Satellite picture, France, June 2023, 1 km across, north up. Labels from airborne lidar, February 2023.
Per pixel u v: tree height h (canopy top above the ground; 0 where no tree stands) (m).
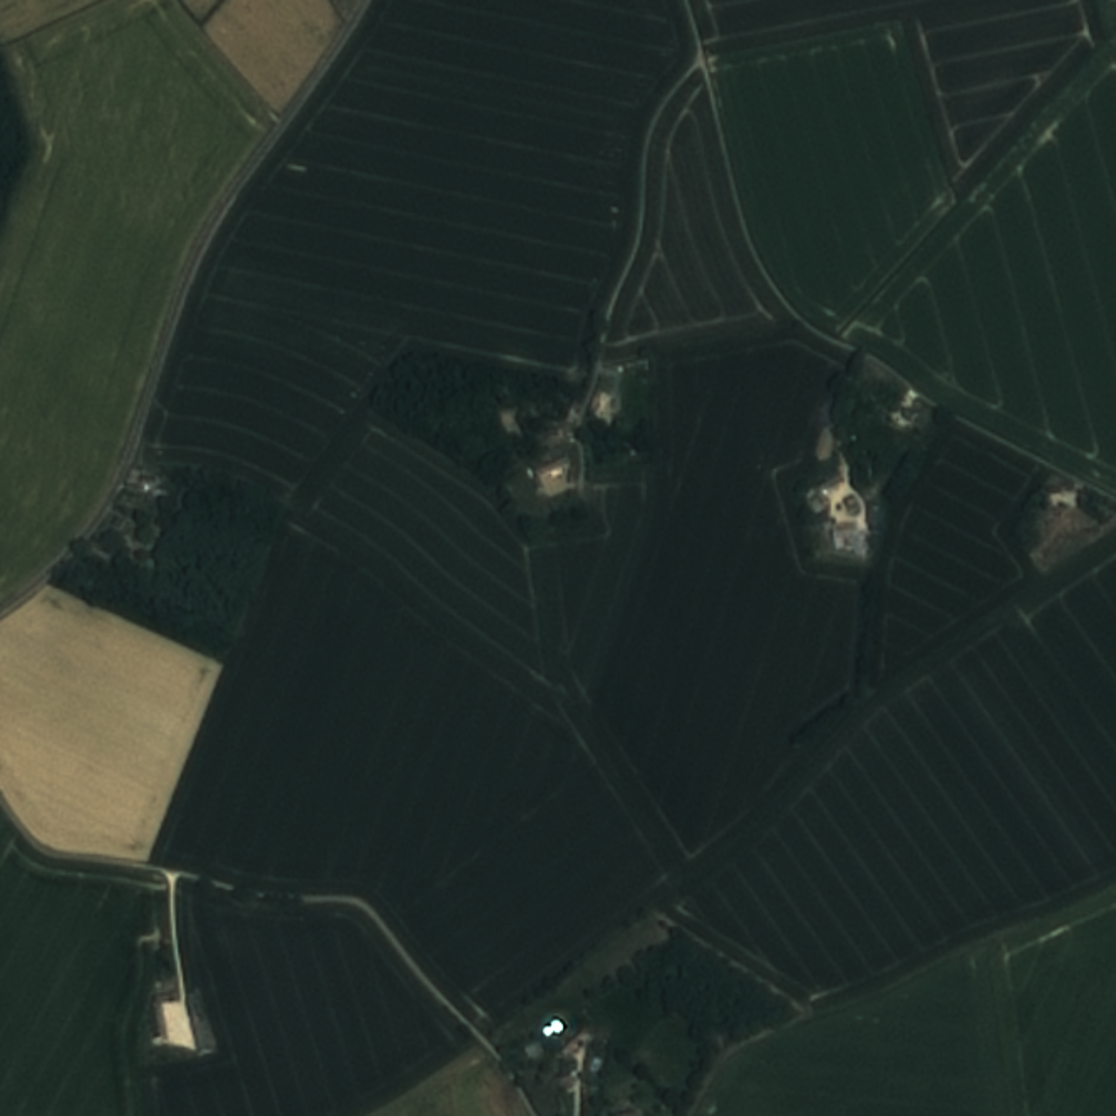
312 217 0
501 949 0
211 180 0
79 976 0
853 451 12
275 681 0
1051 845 0
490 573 0
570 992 0
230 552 22
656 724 0
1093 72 0
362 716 0
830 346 0
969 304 0
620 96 0
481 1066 0
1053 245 0
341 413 0
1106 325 0
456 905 0
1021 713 0
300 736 0
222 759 0
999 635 0
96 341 0
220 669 0
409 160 0
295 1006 0
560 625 0
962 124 0
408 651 0
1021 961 0
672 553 0
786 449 0
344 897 0
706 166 0
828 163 0
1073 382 0
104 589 11
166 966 7
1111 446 0
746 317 0
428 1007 0
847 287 0
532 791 0
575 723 0
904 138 0
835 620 0
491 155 0
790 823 0
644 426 7
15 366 0
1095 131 0
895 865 0
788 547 0
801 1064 0
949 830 0
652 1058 0
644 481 0
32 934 0
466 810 0
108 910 0
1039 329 0
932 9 0
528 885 0
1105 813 0
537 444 13
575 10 0
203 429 0
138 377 0
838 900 0
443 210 0
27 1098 0
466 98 0
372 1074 0
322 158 0
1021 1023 0
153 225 0
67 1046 0
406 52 0
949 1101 0
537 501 0
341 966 0
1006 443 0
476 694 0
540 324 0
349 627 0
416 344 0
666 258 0
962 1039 0
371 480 0
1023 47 0
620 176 0
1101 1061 0
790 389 0
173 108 0
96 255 0
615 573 0
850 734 0
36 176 0
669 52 0
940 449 0
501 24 0
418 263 0
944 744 0
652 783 0
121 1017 0
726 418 0
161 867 0
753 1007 13
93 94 0
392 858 0
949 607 0
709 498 0
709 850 0
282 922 0
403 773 0
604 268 0
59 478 0
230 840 0
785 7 0
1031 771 0
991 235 0
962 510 0
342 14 0
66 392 0
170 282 0
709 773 0
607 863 0
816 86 0
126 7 0
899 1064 0
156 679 0
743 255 0
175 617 16
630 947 0
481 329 0
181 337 0
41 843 0
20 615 0
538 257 0
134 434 0
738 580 0
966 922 0
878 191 0
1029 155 0
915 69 0
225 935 0
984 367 0
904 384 0
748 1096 0
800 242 0
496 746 0
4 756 0
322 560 0
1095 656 0
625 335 0
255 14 0
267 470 0
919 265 0
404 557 0
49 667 0
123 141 0
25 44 0
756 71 0
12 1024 0
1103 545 0
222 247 0
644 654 0
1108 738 0
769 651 0
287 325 0
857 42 0
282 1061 0
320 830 0
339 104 0
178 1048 0
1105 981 0
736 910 0
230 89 0
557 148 0
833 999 0
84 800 0
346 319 0
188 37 0
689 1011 13
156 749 0
